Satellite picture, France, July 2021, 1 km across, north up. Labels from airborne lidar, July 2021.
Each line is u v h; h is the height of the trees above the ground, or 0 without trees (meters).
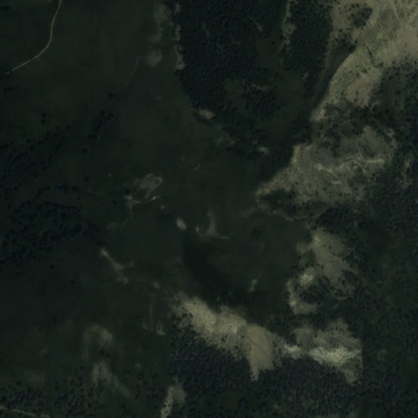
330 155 0
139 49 0
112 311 0
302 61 11
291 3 9
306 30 9
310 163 0
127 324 0
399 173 9
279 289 0
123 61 0
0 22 0
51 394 0
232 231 0
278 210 0
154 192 0
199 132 0
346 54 0
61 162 0
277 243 0
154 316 0
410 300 0
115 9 0
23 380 0
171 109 0
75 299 0
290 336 11
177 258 0
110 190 0
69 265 0
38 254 0
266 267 0
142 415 0
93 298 0
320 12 7
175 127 0
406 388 0
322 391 17
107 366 0
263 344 0
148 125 0
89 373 0
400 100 0
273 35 0
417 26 0
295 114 0
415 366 0
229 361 13
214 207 0
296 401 10
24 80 0
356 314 15
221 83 7
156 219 0
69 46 0
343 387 14
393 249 0
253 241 0
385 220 10
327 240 0
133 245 0
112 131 0
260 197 0
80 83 0
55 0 0
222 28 7
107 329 0
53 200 0
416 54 0
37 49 0
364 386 18
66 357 0
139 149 0
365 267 7
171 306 0
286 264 0
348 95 0
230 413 10
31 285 0
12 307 0
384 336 7
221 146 0
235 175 0
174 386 0
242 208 0
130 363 0
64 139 0
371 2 0
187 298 0
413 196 21
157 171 0
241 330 0
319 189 0
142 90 0
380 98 0
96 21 0
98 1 0
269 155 0
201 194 0
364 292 14
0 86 0
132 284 0
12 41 0
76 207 11
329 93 0
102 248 0
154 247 0
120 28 0
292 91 0
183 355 14
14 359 0
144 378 10
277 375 20
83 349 0
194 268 0
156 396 16
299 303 0
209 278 0
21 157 15
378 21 0
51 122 0
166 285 0
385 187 6
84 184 0
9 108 0
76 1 0
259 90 8
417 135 12
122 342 0
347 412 13
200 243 0
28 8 0
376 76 0
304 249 0
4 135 0
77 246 0
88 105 0
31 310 0
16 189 17
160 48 0
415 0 0
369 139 0
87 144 0
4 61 0
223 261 0
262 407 17
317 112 0
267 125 0
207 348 12
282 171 0
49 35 0
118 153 0
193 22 11
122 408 10
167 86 0
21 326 0
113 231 0
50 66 0
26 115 0
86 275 0
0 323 0
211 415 10
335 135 8
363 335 10
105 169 0
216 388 19
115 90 0
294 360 8
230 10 12
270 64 0
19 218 13
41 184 0
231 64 12
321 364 6
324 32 7
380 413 0
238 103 0
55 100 0
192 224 0
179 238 0
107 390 0
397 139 13
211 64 10
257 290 0
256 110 11
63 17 0
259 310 0
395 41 0
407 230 12
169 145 0
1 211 0
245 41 8
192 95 8
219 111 12
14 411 0
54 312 0
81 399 8
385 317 11
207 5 15
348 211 16
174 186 0
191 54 12
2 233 0
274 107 10
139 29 0
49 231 10
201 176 0
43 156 0
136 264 0
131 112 0
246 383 12
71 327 0
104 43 0
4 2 0
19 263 10
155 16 0
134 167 0
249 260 0
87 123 0
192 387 10
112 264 0
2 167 0
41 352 0
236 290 0
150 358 0
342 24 0
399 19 0
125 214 0
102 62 0
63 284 0
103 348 0
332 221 9
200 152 0
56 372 0
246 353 0
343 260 8
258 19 6
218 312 0
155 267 0
